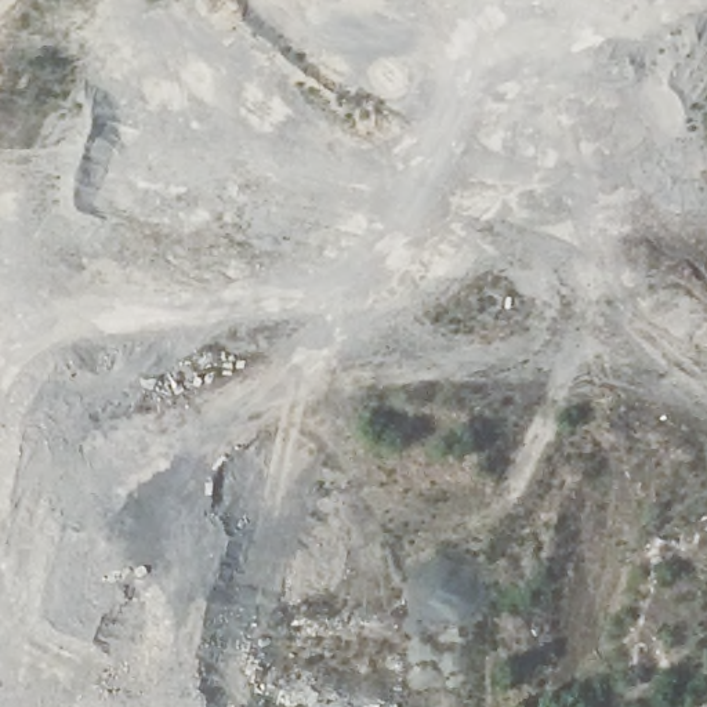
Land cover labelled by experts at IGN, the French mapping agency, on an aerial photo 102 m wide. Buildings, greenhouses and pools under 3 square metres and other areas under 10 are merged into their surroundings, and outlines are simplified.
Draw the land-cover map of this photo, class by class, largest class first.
<instances>
[{"label":"pervious surface","instance_id":"1","mask_svg":"<svg viewBox=\"0 0 707 707\"><path fill-rule=\"evenodd\" d=\"M44 19L52 30H69V47L64 50V55H69L77 64L75 88L58 105V110H52L44 119L36 146L0 149V707H461L467 701L469 688L464 682V668H458L453 655L431 652L420 641V635L434 632L439 641L458 643V627L481 621L483 599L489 597L492 591L489 583H481L478 555H486L489 527L500 522V516L511 514L514 503L525 494L547 445L555 436L558 423L561 411L569 403H591V420L585 425H577L574 434L585 453H577V464L583 467L585 481H597L608 472V458L602 447L624 445L621 434L610 431L608 414H621L630 398L641 395L646 400H666L679 409H688L699 420H707V0H61V8L55 14H47ZM420 381H544V406L536 411L530 428L525 431L522 447L514 453L508 481H492L486 472H478L475 453L464 458L445 456V436L467 423L469 417L464 411L428 403L425 417H434V434L425 442H417L406 450L395 453L392 447L367 442L362 436V423H367L370 417L362 411V392L370 384L392 387ZM630 572L621 566L619 588L610 599V610L616 613L627 605ZM646 599H641L638 621L624 635V646L630 649L632 666L641 663V652H652L657 666L668 668L674 663L668 660L657 627L646 621L649 605L657 597V574H649V580L643 583Z\"/></svg>","mask_w":707,"mask_h":707},{"label":"herbaceous vegetation","instance_id":"2","mask_svg":"<svg viewBox=\"0 0 707 707\"><path fill-rule=\"evenodd\" d=\"M61 8V0H0V149L36 146L44 119L52 110H58V105L75 88L77 64L69 55H64V50L69 47V30H52L44 19L47 14H55ZM544 381H420L392 387L370 384L362 392V411L370 417L367 423L395 431L406 450L417 442H425L434 434V417H425L428 403L464 411L469 417L467 423L475 453L478 472H486L492 481H508L514 453L522 447L525 431L530 428L536 411L544 406ZM610 431L621 434L624 445L602 447L608 458V472L597 481H585L583 467L577 464V453H585L574 434L577 425L558 423L555 436L547 445L525 494L514 503L511 514L500 516V522L489 527L486 555H478L481 583H489L492 591L511 588L522 577L533 580L536 572H547V583L533 588L527 608H511L508 616H503L497 602L489 597L483 599L481 621L458 627V643L439 641L434 632L420 635V641L431 652L453 655L458 668H464V682L469 688L467 701L461 707H522L533 696V685L555 693L558 685L577 679L580 657H585L599 643V624H613L616 613L610 610V599L619 588L621 566L630 572L646 561H663L671 569V585L666 588L657 583V597L649 605L646 621L657 627L668 660L674 663L685 660L701 638H707V420H699L688 409H679L666 400H646L641 395L630 398L621 414H608ZM657 666L652 652H641V663L632 666L627 671L630 685L649 682Z\"/></svg>","mask_w":707,"mask_h":707},{"label":"brushwood","instance_id":"3","mask_svg":"<svg viewBox=\"0 0 707 707\"><path fill-rule=\"evenodd\" d=\"M591 403H569L561 411L558 423L577 425H585L591 420ZM362 436L367 442L392 447L395 453L406 450L395 431L367 423H362ZM475 453L467 423L445 436V456L464 458ZM649 574H657V583L666 588L671 585V569L663 561H646L630 572L627 605L616 613L613 624H599V643L585 657H580L577 679L558 685L555 693L533 685V696L522 707H707V638H701L685 660L674 663L668 668L657 666L649 682L630 685L627 671L632 666L630 649L624 646V635L638 621L641 599H646L643 583L649 580ZM547 583V572H536L533 580L522 577L511 588L492 591L489 597L497 602L503 616H508L511 608H527L533 588Z\"/></svg>","mask_w":707,"mask_h":707}]
</instances>
